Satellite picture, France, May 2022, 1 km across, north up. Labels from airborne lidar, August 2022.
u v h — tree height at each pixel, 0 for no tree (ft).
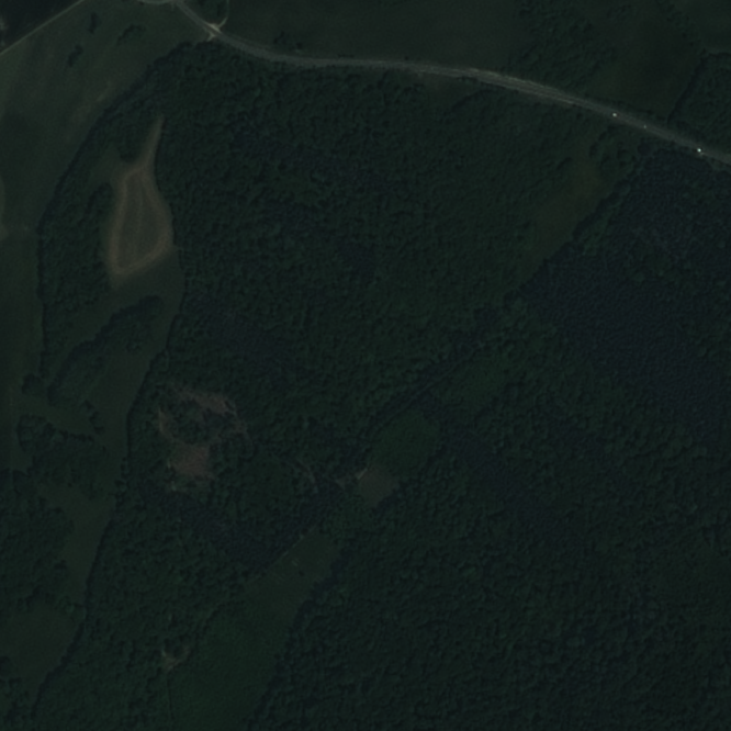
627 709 70
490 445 64
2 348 0
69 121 0
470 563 61
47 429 52
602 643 85
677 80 0
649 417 73
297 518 47
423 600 79
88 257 32
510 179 30
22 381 0
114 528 57
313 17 0
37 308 0
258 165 54
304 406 55
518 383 25
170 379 60
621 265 82
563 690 61
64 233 43
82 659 60
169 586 56
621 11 20
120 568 56
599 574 81
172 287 0
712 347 74
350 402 43
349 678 83
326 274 54
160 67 49
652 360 86
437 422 45
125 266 0
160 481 51
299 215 91
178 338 47
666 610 21
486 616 74
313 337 55
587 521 62
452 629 77
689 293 68
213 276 57
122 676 62
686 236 72
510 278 44
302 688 71
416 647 61
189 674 28
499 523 73
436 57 0
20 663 0
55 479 46
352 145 51
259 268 69
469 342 59
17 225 0
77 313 68
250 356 71
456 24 0
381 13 0
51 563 67
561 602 93
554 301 81
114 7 0
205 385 56
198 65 55
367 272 69
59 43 0
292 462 74
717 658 31
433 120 45
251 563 64
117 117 57
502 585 75
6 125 0
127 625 68
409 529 56
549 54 31
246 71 54
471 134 40
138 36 48
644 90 0
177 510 58
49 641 0
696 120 63
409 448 49
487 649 68
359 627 70
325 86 46
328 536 36
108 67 0
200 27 0
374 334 55
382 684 73
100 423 32
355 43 0
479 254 50
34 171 0
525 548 65
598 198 0
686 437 82
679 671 21
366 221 47
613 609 26
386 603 68
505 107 26
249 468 52
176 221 28
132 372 0
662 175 82
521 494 63
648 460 70
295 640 68
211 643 28
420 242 61
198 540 56
